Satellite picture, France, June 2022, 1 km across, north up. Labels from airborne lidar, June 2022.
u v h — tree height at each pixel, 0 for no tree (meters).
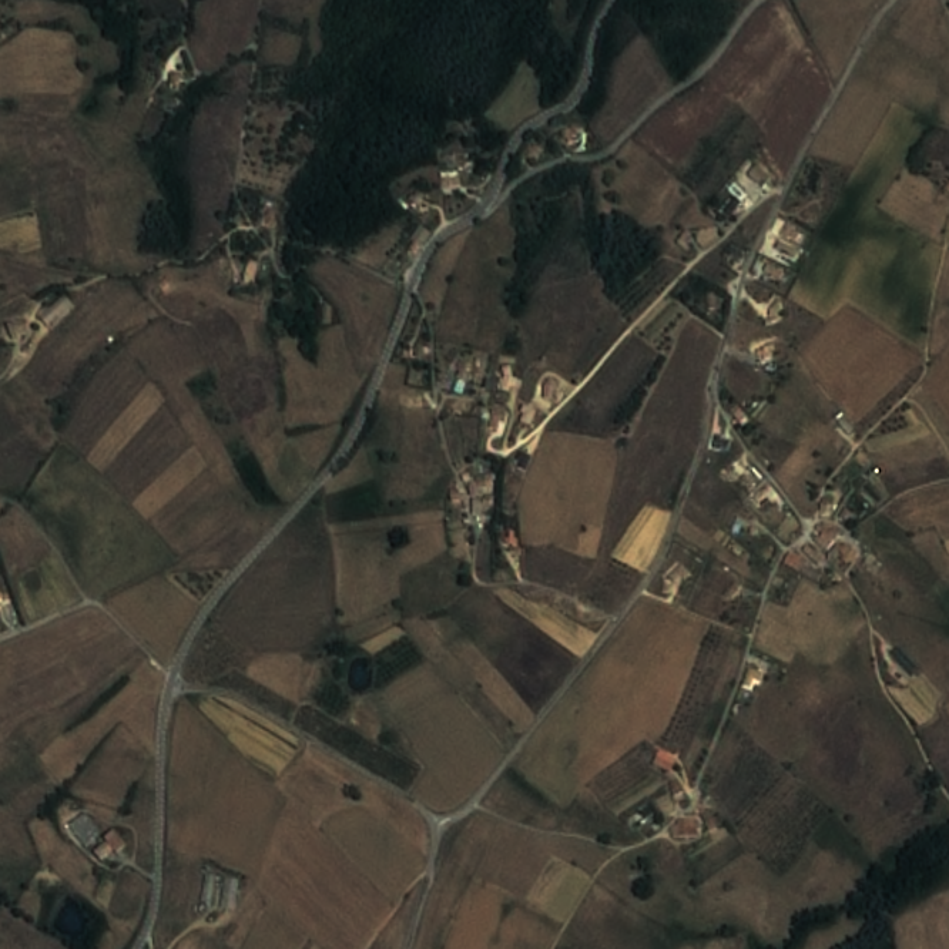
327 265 0
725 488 0
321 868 0
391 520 0
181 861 0
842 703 0
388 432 0
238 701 0
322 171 12
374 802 0
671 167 0
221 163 0
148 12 10
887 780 0
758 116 0
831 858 0
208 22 0
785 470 0
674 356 0
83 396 0
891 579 0
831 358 0
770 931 0
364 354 0
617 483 0
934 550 0
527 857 0
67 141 0
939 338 0
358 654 0
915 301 0
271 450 0
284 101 9
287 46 0
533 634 0
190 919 0
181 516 0
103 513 0
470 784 0
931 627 0
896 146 0
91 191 0
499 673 0
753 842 0
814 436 0
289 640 0
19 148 0
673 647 0
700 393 0
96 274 0
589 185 11
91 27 0
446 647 0
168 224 10
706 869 0
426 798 0
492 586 0
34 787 0
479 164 13
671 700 0
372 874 0
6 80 0
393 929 0
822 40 0
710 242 0
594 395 0
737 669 0
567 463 0
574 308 0
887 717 0
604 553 0
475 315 0
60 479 0
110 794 0
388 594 0
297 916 0
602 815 0
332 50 8
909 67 0
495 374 0
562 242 0
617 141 0
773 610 0
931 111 0
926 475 0
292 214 15
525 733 0
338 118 10
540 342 0
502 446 0
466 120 16
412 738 0
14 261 0
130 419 0
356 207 15
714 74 0
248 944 0
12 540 0
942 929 0
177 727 0
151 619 0
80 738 0
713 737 0
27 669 0
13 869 0
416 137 14
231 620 0
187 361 0
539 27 13
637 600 0
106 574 0
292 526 0
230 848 0
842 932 0
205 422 0
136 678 0
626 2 11
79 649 0
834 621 0
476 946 0
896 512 0
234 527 0
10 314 0
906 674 0
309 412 0
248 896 0
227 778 0
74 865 0
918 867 11
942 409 0
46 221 0
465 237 0
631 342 0
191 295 0
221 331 0
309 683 0
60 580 0
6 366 0
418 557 0
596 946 0
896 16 0
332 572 0
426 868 0
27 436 0
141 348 0
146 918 0
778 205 0
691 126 0
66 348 0
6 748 0
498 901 0
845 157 0
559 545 0
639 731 0
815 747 0
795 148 0
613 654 0
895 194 0
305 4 0
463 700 0
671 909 0
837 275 0
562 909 0
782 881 0
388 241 0
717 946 0
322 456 0
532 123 0
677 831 0
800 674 0
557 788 0
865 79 0
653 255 5
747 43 0
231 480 0
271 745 0
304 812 0
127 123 0
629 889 0
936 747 0
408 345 10
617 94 0
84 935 8
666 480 0
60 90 0
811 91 0
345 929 0
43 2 0
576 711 0
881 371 0
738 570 0
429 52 15
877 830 0
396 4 10
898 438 0
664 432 0
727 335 0
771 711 0
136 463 0
